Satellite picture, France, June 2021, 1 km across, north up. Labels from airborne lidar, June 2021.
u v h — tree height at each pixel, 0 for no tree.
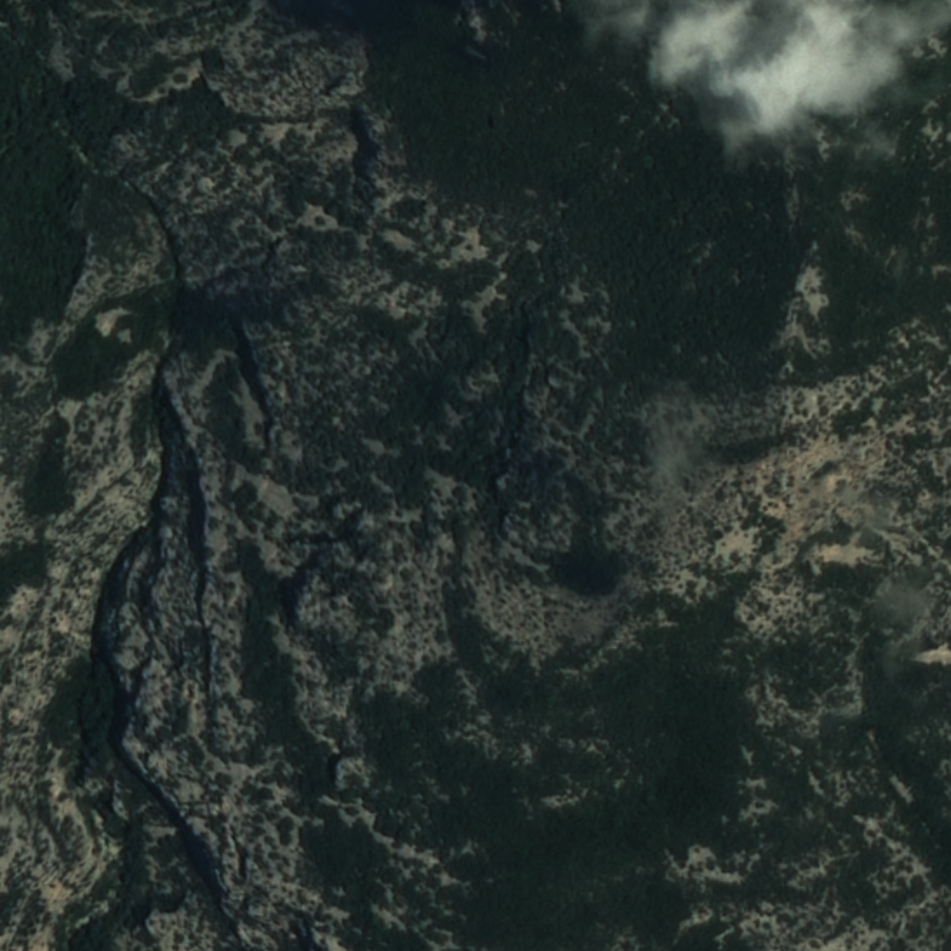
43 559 6
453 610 6
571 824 11
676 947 10
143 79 12
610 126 10
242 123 7
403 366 7
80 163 8
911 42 8
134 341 10
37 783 7
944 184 8
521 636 0
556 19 7
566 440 7
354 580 7
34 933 34
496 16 7
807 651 7
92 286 18
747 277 7
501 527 13
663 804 11
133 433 8
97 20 9
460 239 7
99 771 7
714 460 5
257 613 9
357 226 9
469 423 11
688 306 6
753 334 6
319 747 9
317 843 11
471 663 6
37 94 7
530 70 7
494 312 11
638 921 6
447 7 6
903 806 9
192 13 7
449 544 0
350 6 6
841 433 6
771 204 8
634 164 9
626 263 8
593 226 7
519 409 7
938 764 7
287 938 7
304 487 8
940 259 6
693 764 10
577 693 7
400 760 8
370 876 7
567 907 8
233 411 6
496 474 9
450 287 7
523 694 10
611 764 5
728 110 7
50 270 8
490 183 6
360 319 7
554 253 7
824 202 6
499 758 6
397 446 9
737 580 6
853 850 6
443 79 8
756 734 6
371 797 7
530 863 11
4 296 6
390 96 10
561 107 6
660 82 10
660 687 8
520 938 6
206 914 7
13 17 11
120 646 6
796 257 6
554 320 6
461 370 8
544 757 7
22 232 11
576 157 10
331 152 0
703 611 6
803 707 6
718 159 7
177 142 9
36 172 10
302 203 7
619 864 8
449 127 10
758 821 6
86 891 8
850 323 7
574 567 9
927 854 13
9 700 9
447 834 11
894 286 7
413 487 8
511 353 9
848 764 7
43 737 9
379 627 6
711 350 6
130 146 6
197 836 57
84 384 8
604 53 8
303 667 0
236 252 0
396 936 7
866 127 7
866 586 6
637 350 7
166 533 0
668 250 7
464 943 6
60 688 12
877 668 10
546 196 9
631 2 9
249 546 7
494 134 7
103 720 17
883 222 8
